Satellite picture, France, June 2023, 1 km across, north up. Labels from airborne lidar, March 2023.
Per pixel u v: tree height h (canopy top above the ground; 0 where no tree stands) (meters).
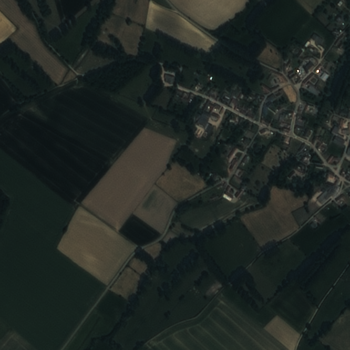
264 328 0
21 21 0
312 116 0
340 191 0
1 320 0
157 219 0
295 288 0
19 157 0
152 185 0
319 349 0
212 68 31
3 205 10
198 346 0
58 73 0
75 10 0
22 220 0
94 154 0
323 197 0
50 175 0
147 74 0
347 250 0
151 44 0
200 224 0
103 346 0
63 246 0
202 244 36
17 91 14
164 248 20
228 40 25
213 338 0
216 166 0
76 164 0
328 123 0
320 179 9
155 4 0
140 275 0
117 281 0
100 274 0
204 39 0
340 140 0
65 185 0
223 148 0
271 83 0
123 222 0
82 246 0
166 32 0
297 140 0
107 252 0
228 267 0
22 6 29
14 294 0
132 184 0
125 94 0
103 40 0
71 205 0
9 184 0
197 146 0
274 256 0
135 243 0
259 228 0
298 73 0
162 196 0
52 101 0
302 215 0
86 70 0
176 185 0
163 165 0
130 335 0
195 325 0
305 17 0
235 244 0
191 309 0
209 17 0
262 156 13
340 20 0
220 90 0
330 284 0
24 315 0
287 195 0
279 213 0
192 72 0
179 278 39
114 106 0
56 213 0
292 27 0
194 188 0
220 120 0
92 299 0
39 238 0
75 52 0
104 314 0
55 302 0
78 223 0
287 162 20
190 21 0
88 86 0
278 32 0
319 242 0
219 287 0
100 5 19
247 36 0
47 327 0
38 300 0
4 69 0
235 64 0
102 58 0
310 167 11
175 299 0
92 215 0
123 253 0
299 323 0
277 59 0
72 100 0
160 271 39
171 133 0
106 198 0
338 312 0
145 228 0
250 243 0
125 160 0
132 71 20
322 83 0
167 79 0
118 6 0
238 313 0
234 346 0
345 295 0
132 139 0
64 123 0
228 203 0
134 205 0
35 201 0
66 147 0
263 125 0
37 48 0
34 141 0
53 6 0
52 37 27
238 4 0
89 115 0
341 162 0
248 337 0
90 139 0
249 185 0
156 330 0
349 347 0
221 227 37
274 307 0
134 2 0
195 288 0
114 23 0
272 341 0
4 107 0
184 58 0
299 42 7
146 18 0
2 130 0
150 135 0
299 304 0
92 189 0
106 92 0
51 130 0
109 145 0
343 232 17
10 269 0
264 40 32
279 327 0
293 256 0
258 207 7
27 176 0
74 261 0
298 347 0
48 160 0
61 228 0
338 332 0
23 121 0
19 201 0
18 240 0
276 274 0
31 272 0
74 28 0
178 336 0
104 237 0
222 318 0
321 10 8
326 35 0
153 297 0
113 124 0
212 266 36
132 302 31
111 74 20
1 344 0
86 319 0
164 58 0
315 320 0
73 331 0
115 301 0
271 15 0
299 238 0
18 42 0
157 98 0
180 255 0
